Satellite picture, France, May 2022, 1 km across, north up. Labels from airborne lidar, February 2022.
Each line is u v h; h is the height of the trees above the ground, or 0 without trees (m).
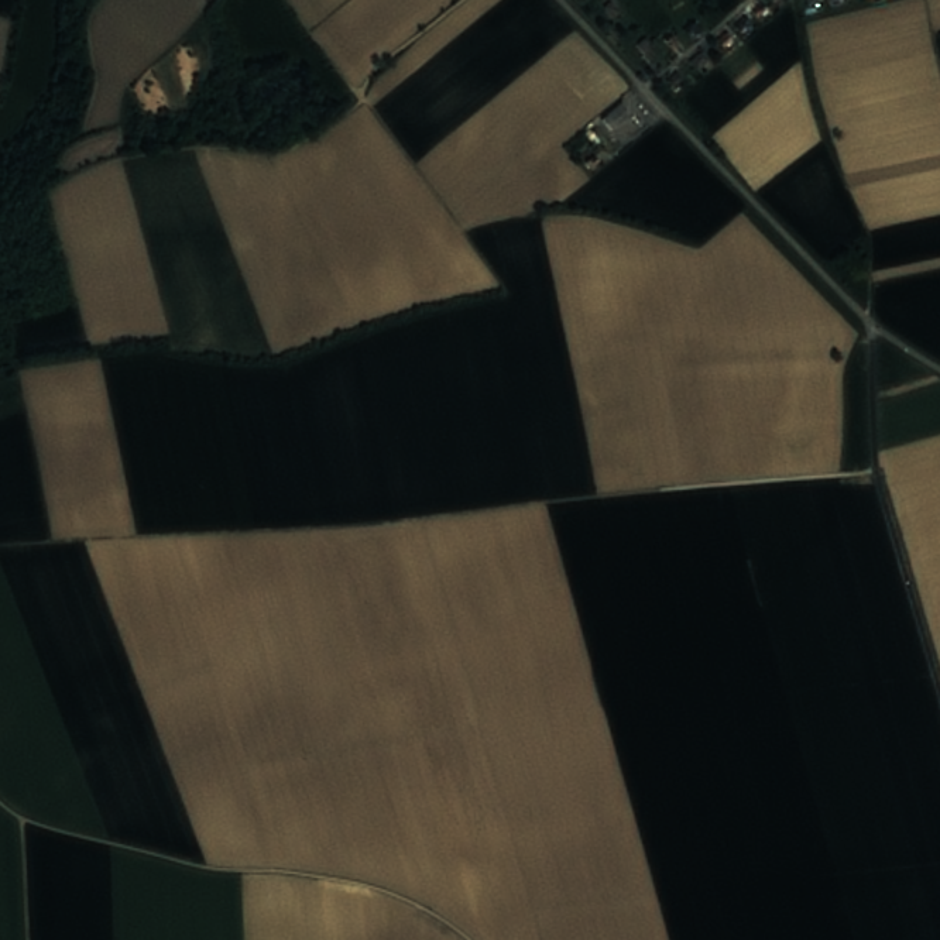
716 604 0
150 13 0
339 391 0
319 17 0
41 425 0
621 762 0
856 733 0
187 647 0
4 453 0
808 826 0
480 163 0
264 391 0
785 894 0
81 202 0
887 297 0
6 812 0
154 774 0
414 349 0
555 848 0
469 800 0
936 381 0
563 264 0
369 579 0
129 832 0
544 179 0
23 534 0
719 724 0
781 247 0
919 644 0
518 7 0
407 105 0
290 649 0
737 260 0
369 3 0
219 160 0
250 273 0
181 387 0
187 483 0
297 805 0
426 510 0
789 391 0
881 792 0
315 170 0
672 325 0
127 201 0
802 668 0
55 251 18
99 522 0
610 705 0
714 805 0
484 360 0
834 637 0
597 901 0
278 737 0
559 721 0
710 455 0
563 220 0
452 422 0
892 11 0
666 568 0
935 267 0
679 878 0
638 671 0
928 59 0
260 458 0
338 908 0
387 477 0
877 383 0
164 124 18
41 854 0
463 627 0
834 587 0
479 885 0
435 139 0
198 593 0
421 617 0
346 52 0
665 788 0
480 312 0
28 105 0
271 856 0
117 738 0
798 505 0
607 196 0
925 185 0
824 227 0
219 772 0
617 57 0
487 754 0
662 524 0
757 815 0
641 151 0
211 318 0
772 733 0
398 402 0
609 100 0
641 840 0
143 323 0
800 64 0
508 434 0
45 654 0
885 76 0
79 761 0
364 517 0
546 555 0
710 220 0
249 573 0
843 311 0
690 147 0
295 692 0
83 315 0
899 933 0
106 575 0
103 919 0
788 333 0
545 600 0
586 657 0
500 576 0
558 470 0
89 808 0
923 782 0
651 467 0
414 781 0
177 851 0
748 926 0
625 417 0
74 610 0
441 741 0
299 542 0
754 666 0
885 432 0
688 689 0
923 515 0
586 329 0
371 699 0
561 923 0
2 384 0
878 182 0
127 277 0
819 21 0
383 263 0
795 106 0
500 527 0
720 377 0
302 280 0
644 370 0
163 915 0
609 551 0
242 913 0
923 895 0
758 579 0
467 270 0
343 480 0
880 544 0
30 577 0
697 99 0
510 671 0
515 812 0
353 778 0
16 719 0
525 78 0
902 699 0
